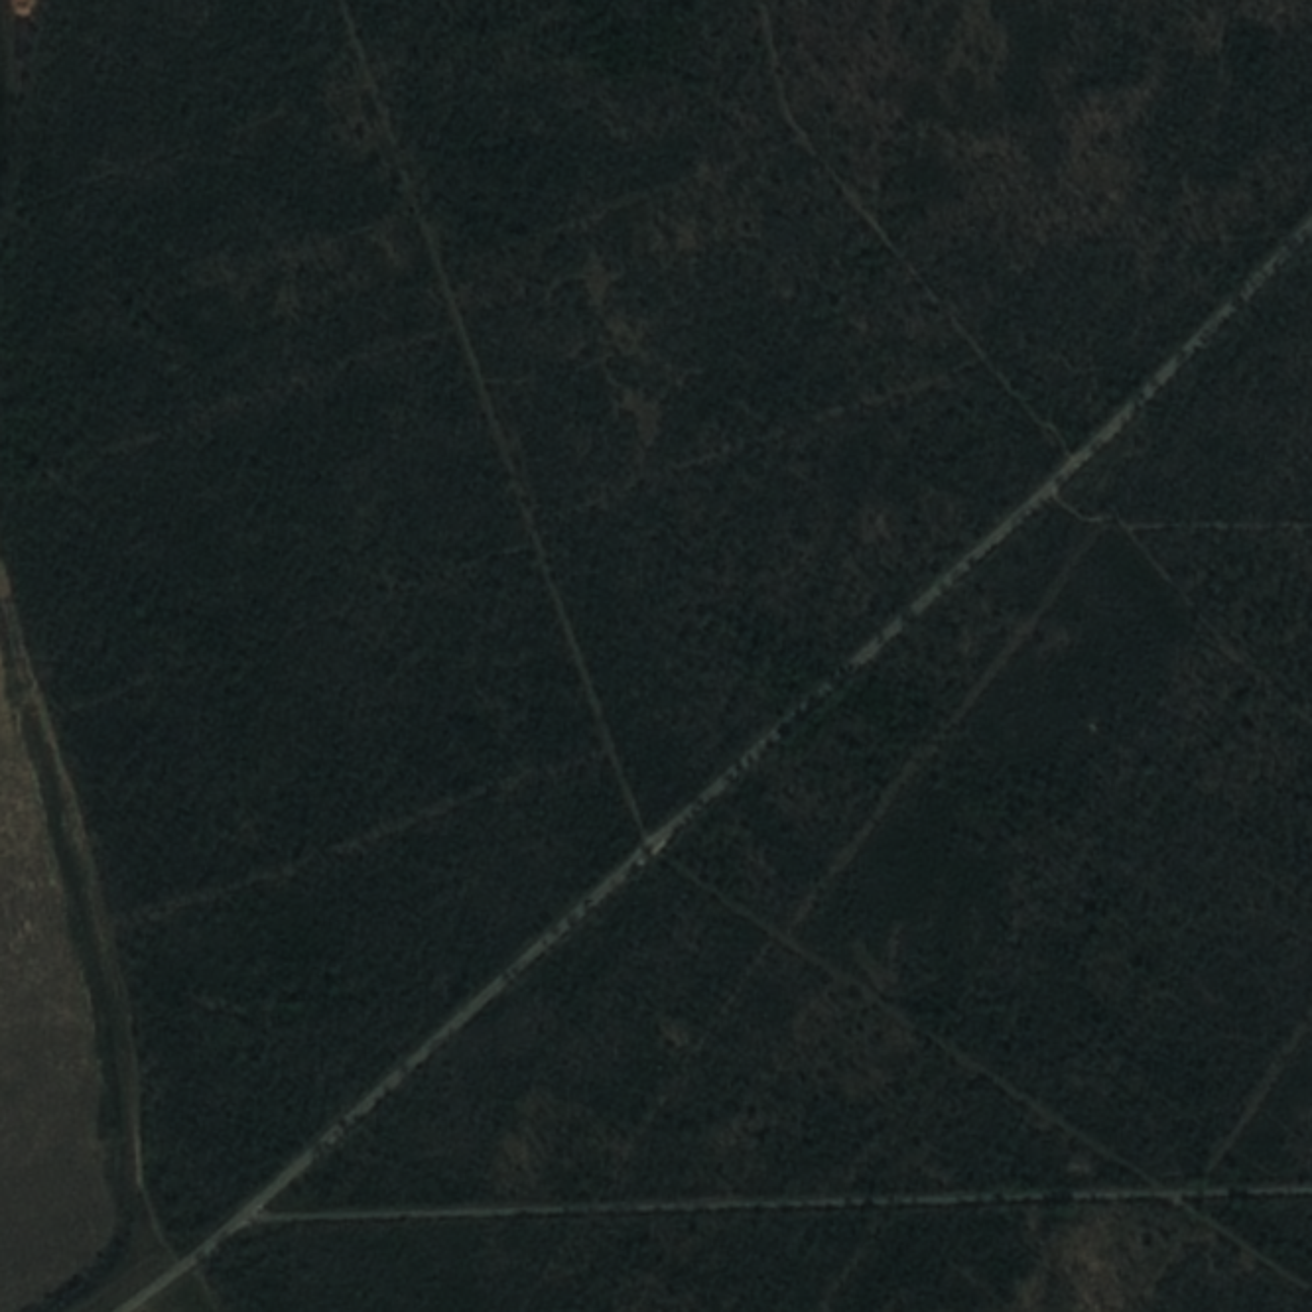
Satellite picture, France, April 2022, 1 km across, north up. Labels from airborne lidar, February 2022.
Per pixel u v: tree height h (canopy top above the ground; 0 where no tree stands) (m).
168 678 11
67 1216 0
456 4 13
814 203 11
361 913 9
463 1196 9
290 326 8
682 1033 8
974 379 9
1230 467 9
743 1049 10
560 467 13
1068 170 13
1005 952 10
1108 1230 0
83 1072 0
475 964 10
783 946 8
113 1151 0
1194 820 8
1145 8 12
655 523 6
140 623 11
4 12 0
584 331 6
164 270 13
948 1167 13
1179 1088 11
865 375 12
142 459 8
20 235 9
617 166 9
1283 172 13
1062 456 11
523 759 12
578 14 11
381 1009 8
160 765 13
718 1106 10
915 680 6
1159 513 8
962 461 7
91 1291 0
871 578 10
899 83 12
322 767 11
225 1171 9
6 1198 0
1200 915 11
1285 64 10
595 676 13
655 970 12
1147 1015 8
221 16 7
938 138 13
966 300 12
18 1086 0
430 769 9
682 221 12
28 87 10
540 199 12
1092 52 8
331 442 11
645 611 11
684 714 10
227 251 11
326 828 11
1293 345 12
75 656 12
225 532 11
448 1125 6
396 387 6
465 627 10
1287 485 7
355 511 13
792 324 15
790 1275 10
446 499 12
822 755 7
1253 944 12
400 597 10
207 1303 0
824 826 11
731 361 12
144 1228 0
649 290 6
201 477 11
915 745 16
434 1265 6
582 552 9
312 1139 11
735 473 12
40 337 10
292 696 8
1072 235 12
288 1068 13
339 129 11
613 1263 10
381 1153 9
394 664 11
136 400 9
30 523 10
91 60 7
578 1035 10
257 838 10
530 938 10
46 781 0
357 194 7
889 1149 11
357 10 11
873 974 0
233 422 8
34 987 0
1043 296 11
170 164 9
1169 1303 9
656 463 8
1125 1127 11
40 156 8
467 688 6
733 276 12
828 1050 9
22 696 0
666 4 13
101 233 8
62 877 0
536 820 12
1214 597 13
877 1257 12
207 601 8
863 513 10
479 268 10
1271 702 12
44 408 10
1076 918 14
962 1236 10
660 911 11
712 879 13
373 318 10
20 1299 0
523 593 10
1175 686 9
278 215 9
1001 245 10
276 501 11
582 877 7
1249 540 11
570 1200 10
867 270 15
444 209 13
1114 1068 12
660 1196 11
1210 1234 0
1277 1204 8
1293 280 13
